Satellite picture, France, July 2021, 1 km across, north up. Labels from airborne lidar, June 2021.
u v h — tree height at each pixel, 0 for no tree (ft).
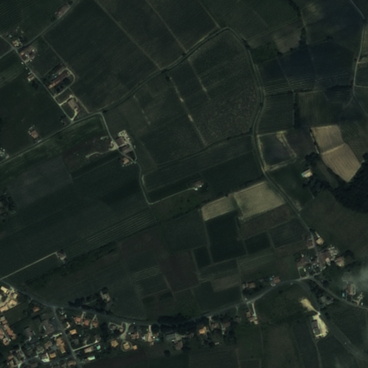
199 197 0
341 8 0
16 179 0
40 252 0
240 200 0
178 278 0
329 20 0
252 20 0
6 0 0
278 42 0
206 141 0
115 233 0
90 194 0
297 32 0
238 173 0
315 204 0
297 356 0
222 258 0
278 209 0
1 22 0
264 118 0
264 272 0
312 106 0
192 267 0
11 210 29
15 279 0
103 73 0
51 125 0
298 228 0
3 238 0
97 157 0
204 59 0
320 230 0
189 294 0
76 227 0
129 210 0
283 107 0
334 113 0
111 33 0
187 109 0
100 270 0
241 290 0
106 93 0
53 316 0
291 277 0
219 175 0
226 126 0
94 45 0
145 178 0
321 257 0
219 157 0
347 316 0
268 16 0
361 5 0
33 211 0
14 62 0
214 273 0
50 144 0
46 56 0
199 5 0
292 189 0
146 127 0
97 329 0
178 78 0
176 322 46
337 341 0
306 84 0
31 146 0
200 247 0
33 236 0
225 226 0
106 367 0
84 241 0
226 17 0
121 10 0
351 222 0
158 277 0
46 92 0
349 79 0
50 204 0
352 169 0
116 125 0
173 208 0
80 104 0
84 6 0
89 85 0
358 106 0
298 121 31
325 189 39
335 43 0
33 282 18
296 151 0
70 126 0
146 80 0
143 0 0
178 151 0
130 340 0
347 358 0
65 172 0
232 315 0
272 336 0
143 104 0
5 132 0
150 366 0
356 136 0
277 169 0
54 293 0
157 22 0
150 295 0
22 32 0
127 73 0
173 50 0
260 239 0
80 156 0
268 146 0
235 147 0
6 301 0
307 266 21
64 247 0
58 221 0
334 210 0
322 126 0
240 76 0
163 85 0
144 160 0
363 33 0
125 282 0
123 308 0
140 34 0
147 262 0
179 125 0
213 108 0
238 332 0
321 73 0
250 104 0
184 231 0
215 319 31
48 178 0
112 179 0
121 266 0
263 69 0
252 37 0
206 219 0
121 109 0
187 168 0
